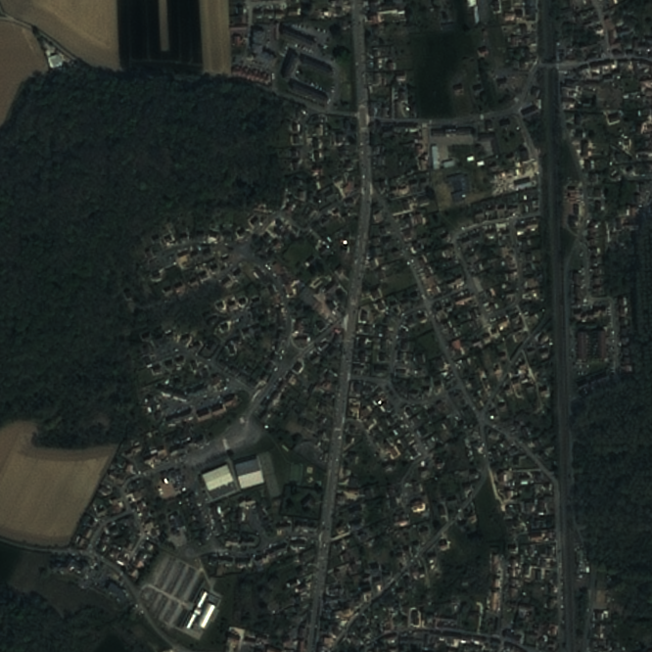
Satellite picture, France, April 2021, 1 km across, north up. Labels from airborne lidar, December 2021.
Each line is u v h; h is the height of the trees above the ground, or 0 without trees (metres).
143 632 0
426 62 0
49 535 0
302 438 6
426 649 0
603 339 0
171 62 0
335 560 0
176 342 0
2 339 19
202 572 0
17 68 0
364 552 6
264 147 20
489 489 0
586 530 23
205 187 25
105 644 0
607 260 16
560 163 9
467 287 0
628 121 0
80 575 0
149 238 13
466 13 0
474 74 0
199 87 25
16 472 0
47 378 16
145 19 0
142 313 21
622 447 36
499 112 0
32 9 0
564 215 10
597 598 0
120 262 24
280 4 0
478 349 7
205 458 0
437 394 0
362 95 0
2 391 24
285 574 0
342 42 14
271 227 0
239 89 17
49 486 0
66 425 14
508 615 0
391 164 0
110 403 9
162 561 0
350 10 0
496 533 0
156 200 21
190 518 0
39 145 27
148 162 23
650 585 20
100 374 22
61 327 22
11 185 24
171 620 0
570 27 7
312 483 0
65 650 12
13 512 0
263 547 0
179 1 0
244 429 0
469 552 0
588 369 0
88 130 26
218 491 0
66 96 22
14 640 23
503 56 0
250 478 0
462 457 0
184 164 25
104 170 23
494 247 6
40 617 21
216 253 0
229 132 19
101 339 17
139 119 25
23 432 0
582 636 15
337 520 11
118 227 17
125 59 0
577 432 18
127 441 8
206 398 0
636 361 32
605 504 27
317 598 0
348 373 0
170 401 0
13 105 0
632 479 32
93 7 0
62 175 21
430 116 0
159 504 9
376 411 7
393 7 8
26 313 21
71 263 22
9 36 0
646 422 38
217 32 0
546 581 0
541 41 12
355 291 0
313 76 0
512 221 0
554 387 7
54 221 18
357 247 0
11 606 21
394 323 0
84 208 20
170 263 0
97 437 14
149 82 23
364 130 0
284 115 16
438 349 0
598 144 0
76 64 9
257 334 10
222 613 0
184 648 0
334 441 0
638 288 35
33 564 0
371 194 0
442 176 0
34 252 17
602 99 0
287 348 0
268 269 0
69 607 0
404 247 0
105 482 0
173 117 25
